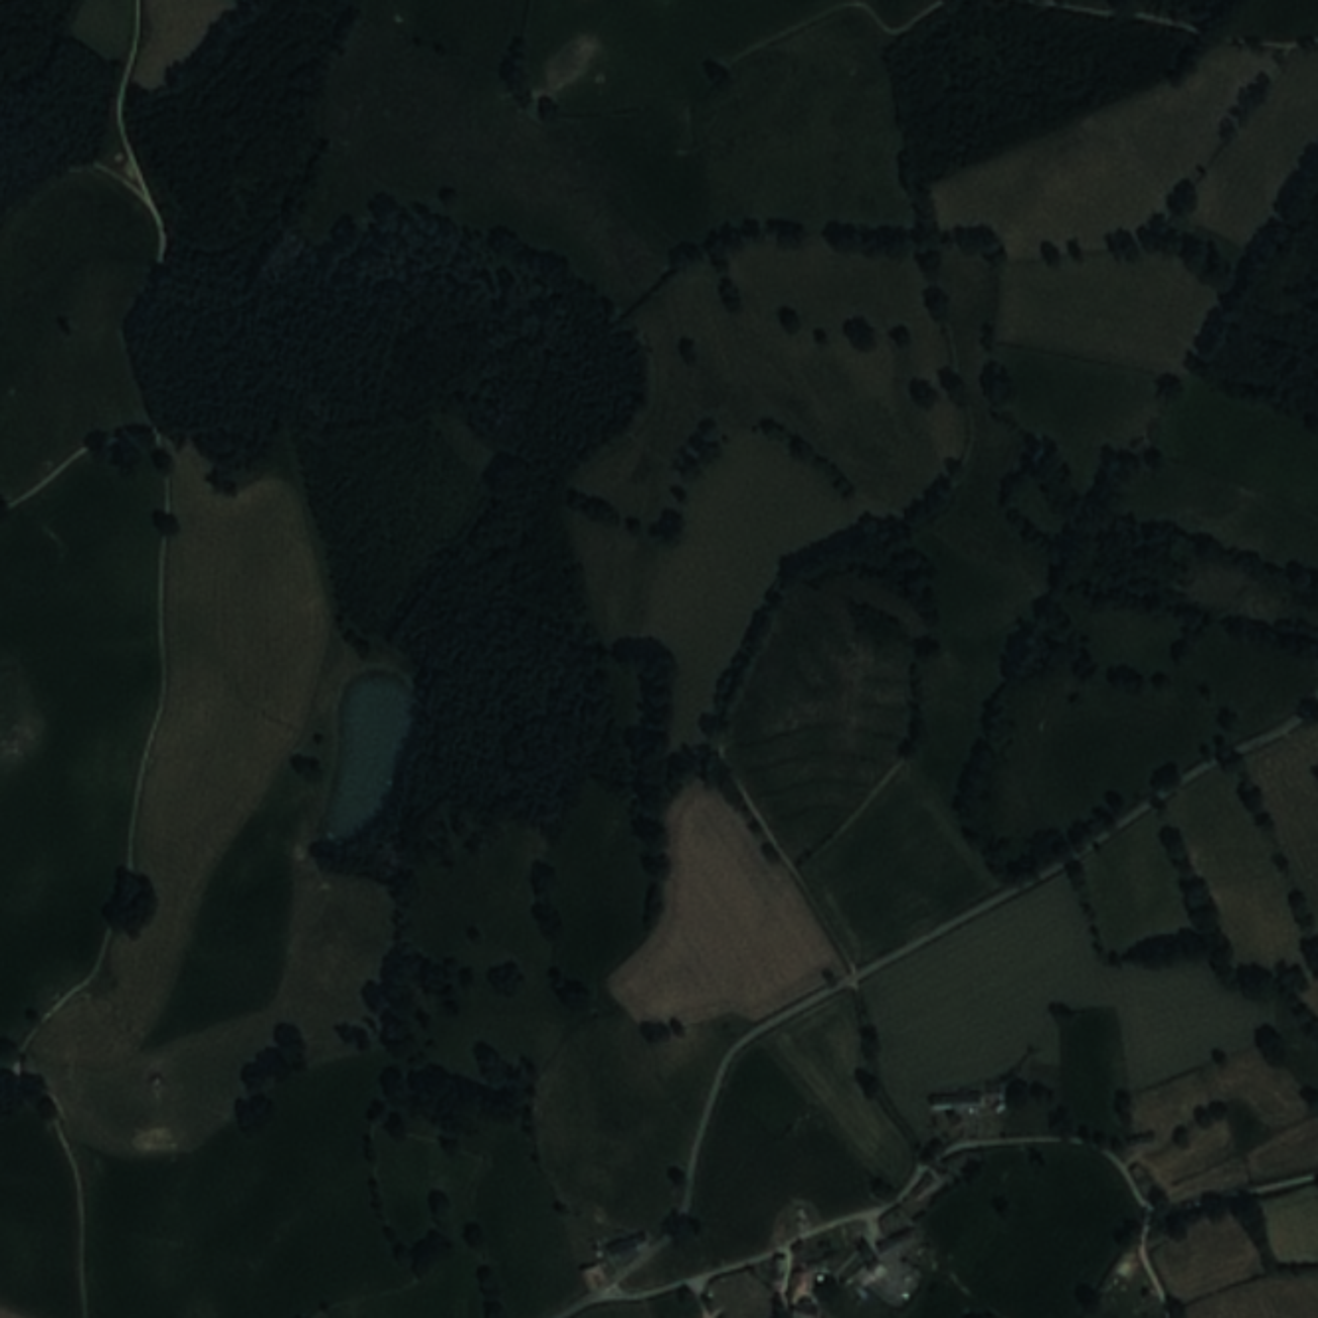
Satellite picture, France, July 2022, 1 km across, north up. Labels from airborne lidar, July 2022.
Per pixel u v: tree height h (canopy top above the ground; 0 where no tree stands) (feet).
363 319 78
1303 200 61
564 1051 0
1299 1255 0
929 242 52
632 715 0
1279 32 0
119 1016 0
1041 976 0
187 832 0
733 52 0
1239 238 0
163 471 55
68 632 0
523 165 0
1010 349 0
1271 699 0
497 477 69
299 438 21
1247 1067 0
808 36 0
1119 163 0
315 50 31
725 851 0
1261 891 0
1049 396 0
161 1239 0
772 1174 0
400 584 20
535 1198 0
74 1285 0
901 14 0
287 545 0
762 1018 0
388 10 0
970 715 0
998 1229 0
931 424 0
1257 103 53
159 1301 0
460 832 69
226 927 0
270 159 26
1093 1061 0
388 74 0
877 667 0
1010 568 0
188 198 24
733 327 0
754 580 0
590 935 0
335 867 61
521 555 48
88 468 0
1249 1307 0
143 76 0
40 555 0
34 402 0
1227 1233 0
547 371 52
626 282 0
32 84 76
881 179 0
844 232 68
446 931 0
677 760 35
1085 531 81
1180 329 0
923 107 27
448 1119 72
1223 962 65
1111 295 0
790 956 0
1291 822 0
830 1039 0
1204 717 0
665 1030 42
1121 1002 0
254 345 74
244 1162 0
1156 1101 0
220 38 47
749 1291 0
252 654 0
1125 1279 0
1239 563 36
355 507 25
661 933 0
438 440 18
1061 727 0
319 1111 0
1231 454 0
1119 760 0
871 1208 0
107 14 0
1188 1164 0
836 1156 0
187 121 24
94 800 0
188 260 41
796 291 0
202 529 0
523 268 61
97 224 0
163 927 0
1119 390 0
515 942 0
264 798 0
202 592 0
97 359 0
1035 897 0
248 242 27
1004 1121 0
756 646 53
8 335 0
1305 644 69
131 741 0
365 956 0
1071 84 17
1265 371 58
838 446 0
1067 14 20
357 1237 0
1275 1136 0
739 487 0
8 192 88
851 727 0
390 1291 0
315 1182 0
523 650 60
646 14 0
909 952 0
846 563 38
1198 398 0
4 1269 0
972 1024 0
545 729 79
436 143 0
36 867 0
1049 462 85
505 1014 0
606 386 37
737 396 0
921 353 0
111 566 0
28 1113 0
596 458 35
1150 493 0
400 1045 74
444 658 68
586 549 0
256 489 0
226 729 0
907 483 0
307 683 0
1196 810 0
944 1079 0
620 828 0
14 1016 0
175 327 67
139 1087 0
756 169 0
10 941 0
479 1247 42
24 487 0
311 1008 0
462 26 0
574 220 0
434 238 75
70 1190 0
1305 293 24
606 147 0
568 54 0
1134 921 0
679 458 0
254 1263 0
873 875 0
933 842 0
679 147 0
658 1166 0
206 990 0
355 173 0
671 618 0
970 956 0
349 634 31
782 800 0
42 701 0
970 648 0
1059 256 60
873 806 0
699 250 26
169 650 0
